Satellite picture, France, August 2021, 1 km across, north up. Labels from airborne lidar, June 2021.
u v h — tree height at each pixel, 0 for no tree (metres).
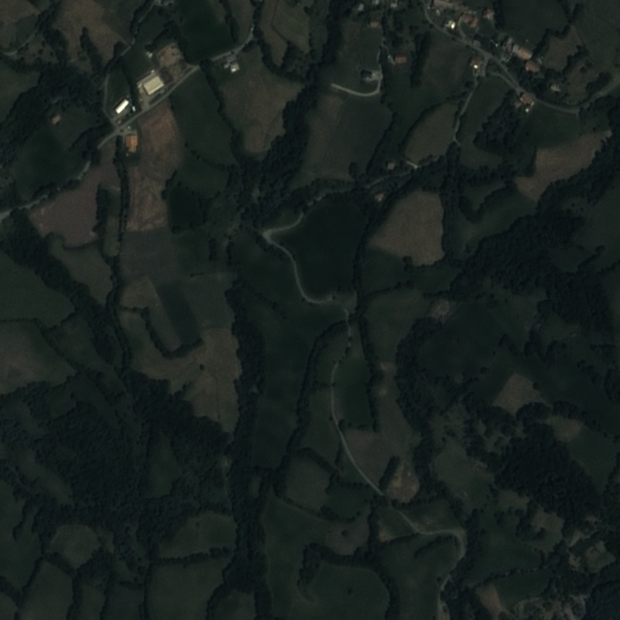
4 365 0
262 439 0
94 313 8
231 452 18
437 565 0
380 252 0
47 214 0
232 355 0
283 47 0
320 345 14
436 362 0
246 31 0
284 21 0
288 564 0
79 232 0
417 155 0
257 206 18
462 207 13
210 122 0
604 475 0
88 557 0
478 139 10
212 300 0
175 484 7
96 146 13
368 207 14
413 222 0
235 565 13
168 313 0
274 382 0
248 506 18
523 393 0
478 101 0
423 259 0
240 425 15
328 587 0
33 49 0
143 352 0
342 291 12
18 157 10
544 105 0
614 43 0
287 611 0
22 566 0
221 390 0
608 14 0
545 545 0
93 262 0
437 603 0
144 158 0
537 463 27
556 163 0
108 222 10
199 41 0
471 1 0
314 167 0
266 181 17
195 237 0
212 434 22
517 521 0
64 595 0
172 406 23
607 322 24
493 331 0
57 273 21
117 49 12
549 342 0
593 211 0
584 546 11
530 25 0
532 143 0
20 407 0
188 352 7
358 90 0
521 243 24
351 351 12
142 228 0
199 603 0
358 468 0
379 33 0
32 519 0
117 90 0
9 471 15
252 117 0
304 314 0
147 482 13
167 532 10
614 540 23
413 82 9
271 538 0
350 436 0
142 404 18
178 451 8
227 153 0
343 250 0
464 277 18
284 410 0
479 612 16
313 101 22
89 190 0
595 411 0
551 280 24
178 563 11
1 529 0
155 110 0
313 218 0
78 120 0
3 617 0
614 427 0
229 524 0
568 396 0
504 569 0
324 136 0
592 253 0
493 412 15
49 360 0
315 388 10
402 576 0
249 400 18
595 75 0
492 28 0
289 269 0
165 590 0
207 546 0
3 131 11
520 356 9
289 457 8
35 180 0
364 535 0
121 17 0
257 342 18
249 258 0
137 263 0
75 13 0
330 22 13
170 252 0
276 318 0
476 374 0
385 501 14
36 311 0
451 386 18
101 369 0
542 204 14
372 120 0
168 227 0
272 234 0
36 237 8
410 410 9
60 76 19
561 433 0
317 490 0
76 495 9
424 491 7
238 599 0
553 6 0
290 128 14
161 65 0
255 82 0
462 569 14
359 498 0
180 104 0
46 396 16
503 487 15
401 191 11
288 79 7
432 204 0
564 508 22
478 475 0
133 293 0
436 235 0
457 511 16
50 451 6
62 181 0
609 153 21
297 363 0
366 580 0
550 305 14
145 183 0
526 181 0
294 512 0
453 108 0
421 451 16
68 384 6
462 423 0
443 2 0
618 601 16
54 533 10
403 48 0
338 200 18
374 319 0
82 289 17
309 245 0
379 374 10
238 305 13
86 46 12
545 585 0
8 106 0
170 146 0
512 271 22
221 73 0
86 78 7
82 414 7
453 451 0
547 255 14
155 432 17
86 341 0
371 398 8
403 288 12
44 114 14
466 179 13
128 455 8
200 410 0
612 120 15
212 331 0
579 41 0
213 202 9
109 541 0
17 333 0
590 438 0
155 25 0
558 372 0
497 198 15
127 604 0
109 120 8
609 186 7
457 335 0
